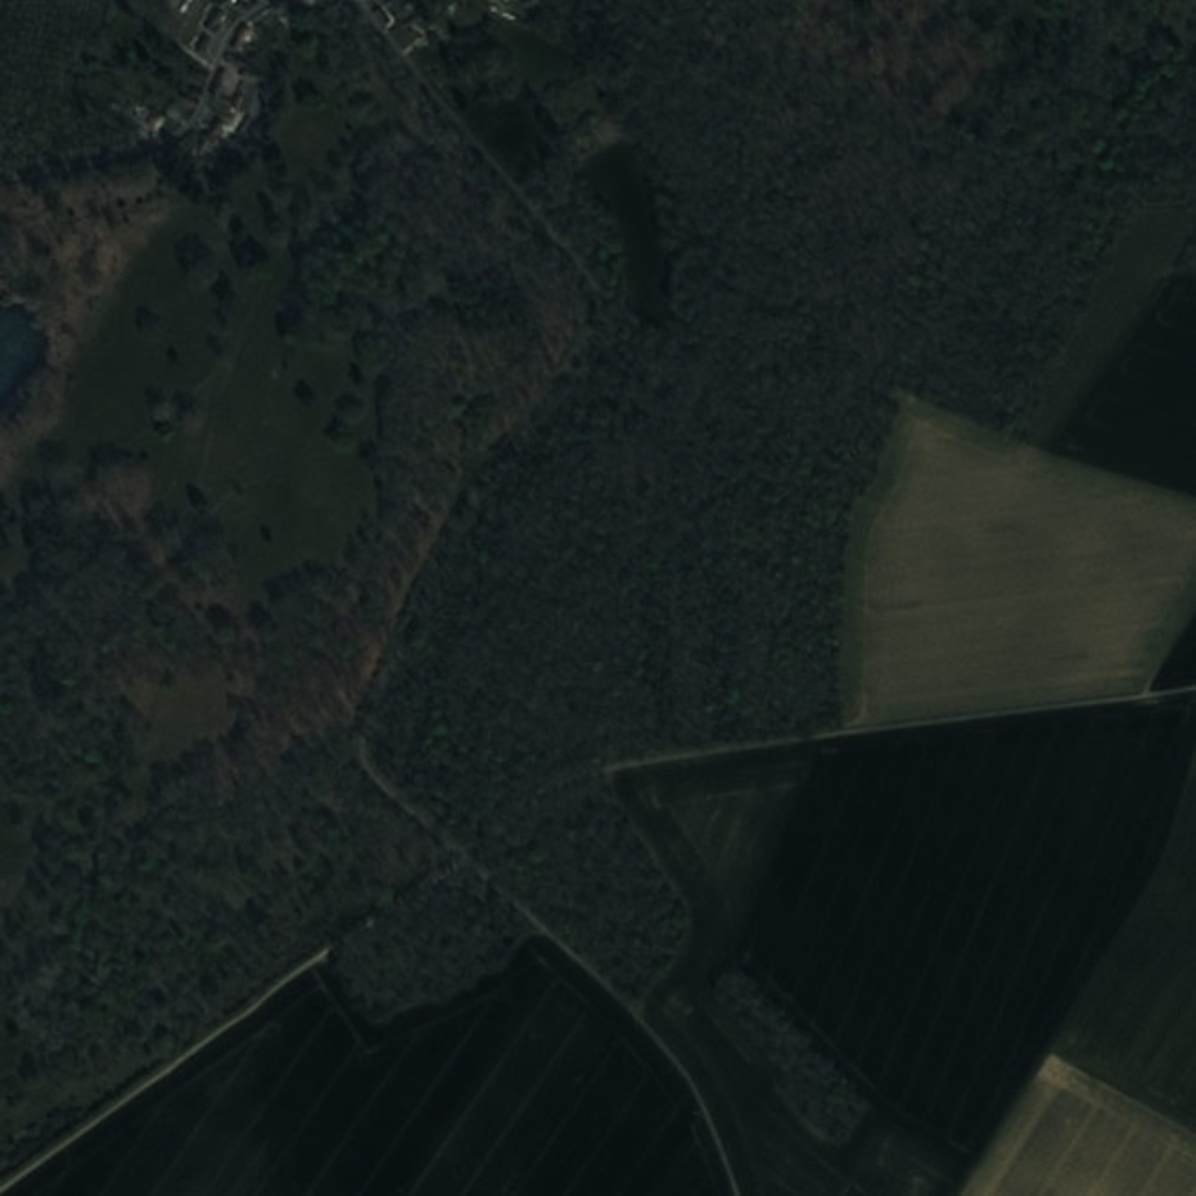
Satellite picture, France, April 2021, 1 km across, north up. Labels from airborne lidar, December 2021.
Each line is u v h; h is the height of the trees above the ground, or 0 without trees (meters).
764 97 23
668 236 25
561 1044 0
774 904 0
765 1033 19
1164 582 0
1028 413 17
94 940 33
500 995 0
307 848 30
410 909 24
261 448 0
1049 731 0
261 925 26
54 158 6
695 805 0
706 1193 0
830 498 17
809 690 19
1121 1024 0
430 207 28
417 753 18
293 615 26
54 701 22
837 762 0
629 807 0
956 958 0
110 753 20
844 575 14
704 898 0
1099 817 0
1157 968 0
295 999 0
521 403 29
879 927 0
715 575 21
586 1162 0
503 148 0
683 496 24
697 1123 0
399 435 20
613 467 23
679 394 22
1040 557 0
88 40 20
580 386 18
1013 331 19
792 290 21
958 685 0
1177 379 0
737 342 13
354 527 0
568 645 15
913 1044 0
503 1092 0
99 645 24
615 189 0
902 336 19
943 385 19
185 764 0
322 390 0
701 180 22
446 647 24
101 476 20
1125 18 29
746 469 19
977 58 27
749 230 21
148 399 0
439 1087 0
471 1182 0
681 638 20
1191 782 0
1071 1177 0
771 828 0
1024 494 0
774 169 18
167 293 0
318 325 26
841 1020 0
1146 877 0
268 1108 0
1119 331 0
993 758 0
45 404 20
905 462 0
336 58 22
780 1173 0
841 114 17
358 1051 0
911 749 0
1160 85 26
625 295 21
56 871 24
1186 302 0
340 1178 0
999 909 0
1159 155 24
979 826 0
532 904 20
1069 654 0
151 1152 0
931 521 0
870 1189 0
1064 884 0
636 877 17
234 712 16
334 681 28
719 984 16
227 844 34
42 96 22
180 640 28
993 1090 0
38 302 29
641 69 17
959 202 15
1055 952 0
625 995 17
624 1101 0
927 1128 0
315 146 0
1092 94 19
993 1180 0
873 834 0
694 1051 0
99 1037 29
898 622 0
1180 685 0
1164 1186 0
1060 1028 0
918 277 18
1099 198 24
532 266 28
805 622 20
